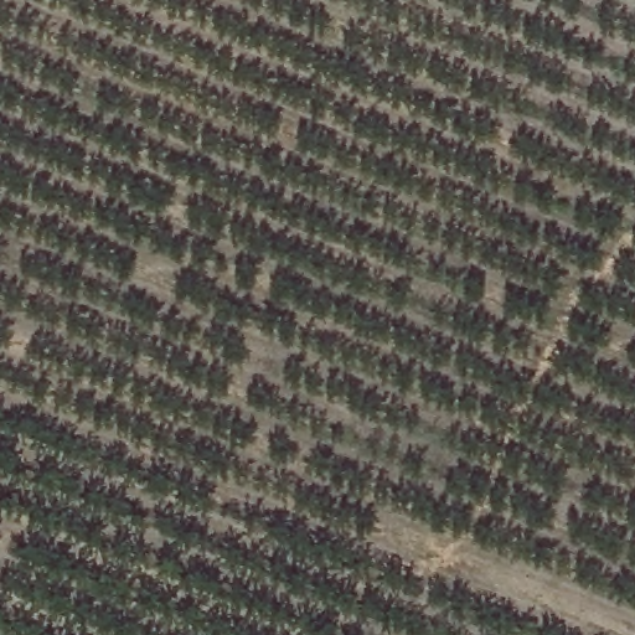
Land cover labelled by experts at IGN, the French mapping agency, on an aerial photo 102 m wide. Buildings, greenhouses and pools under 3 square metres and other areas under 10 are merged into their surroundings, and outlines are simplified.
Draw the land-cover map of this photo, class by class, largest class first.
<instances>
[{"label":"deciduous trees","instance_id":"1","mask_svg":"<svg viewBox=\"0 0 635 635\"><path fill-rule=\"evenodd\" d=\"M357 7L360 17L347 22L342 47H322L330 15L320 2L313 0H0V635H575L556 613H521L511 600L496 593L469 590L464 580L446 583L437 573L414 575V568L402 566L399 556L370 548V533L377 521L375 511L382 506H394V511L404 516L429 523L434 533H471L481 548H494L504 558L533 563L536 568H543L556 575H573L578 585L635 608V174L608 166L603 159H593L590 151L595 146L610 149L623 159L635 161V0H337ZM553 5L563 7L568 15L598 22L600 37L585 40L578 37V30H566L563 22L553 15ZM571 60L610 67L613 72H623L625 77L620 84H610L605 77H593V82L588 84L571 77V72L566 69ZM417 72H427L432 79L446 84V94L437 97L429 89H417ZM538 84H546L551 92H571L585 97L593 107L610 109L615 117H625L628 124L623 131H613L610 124L600 119L595 124H588L580 114H573L571 107H566L563 102L536 104L528 99V94ZM290 104L310 109L313 114L310 119L298 122V146L290 151L288 159H280V109ZM496 109L516 114L518 129L511 136V151L521 156V166L496 159V154L484 146V139H496L499 134L501 124L499 119H491V112ZM179 176L189 179V223L181 233H174L166 206H171L176 191L174 184ZM149 248L174 260L176 295L171 300H159L134 285L131 270L136 255ZM263 258H275L278 265L270 278V290L255 283L258 265L263 263ZM489 268L504 273L506 290L501 318L491 315L484 308V273ZM246 325H258L265 335L280 337L283 345H290L293 335H300V352L285 357V380L290 382L295 397H280L275 384H270L260 375H253L248 384V402L253 407L268 409L278 424L268 437V464H260L255 459H241L236 454L241 446H248L253 442L255 419H241L238 407L218 404L231 384V365L243 362L248 355L243 342ZM216 476L236 479L238 486L265 489L275 496H293L295 506L293 511H283L263 508L260 499L255 504L213 501ZM211 511L243 521L246 528L241 533H208Z\"/></svg>","mask_w":635,"mask_h":635},{"label":"plowed land","instance_id":"2","mask_svg":"<svg viewBox=\"0 0 635 635\"><path fill-rule=\"evenodd\" d=\"M320 2L330 15L322 47H342L347 22L360 17L357 7L337 0H313ZM553 15L563 22L566 30H578V37L585 40L600 37L598 22L568 15L563 7L553 5ZM566 69L571 72V77L588 84L593 82V77H605L610 84H620L625 77L623 72H613L610 67L571 60ZM417 89H429L437 97L446 94V84L432 79L427 72H417ZM528 99L536 104L563 102L566 107H571L573 114H580L588 124H595L600 119L610 124L613 131H623L628 124L625 117H615L610 109L593 107L585 97L571 92H551L546 84H538L528 94ZM313 114L310 109L290 104L280 109V159H288L290 151L298 146V122L310 119ZM491 119H499L501 124L499 134L496 139H484V146L496 154V159L521 166V156L511 151V136L518 129L516 114L496 109L491 112ZM593 159H603L608 166L635 174V161L623 159L610 149L595 146L590 151ZM176 191L171 206H166L174 233H181L189 223V179L179 176L174 184ZM134 285L159 300H171L176 295L174 260L149 248L136 255L131 270ZM278 265L275 258H263V263L258 265L255 283L270 290V278ZM506 290L504 273L489 268L484 273V308L491 315L501 318ZM243 342L248 355L243 362L231 365V384L218 404L238 407L241 419H255L253 442L248 446H241L236 454L241 459H255L260 464H268V437L278 424L268 409L253 407L248 402V384L253 375H260L270 384H275L280 397H295L290 382L285 380V357L300 352V335H293L290 345H283L280 337L265 335L258 325H246ZM213 501L255 504L260 499L263 508L283 511H293L295 506L293 496H275L265 489L238 486L236 479L216 476ZM377 521L370 533V548L399 556L402 566L414 568V575L437 573L446 583L464 580L469 590L496 593L511 600L521 613H556L575 635H635V608L578 585L573 575H556L543 568H536L533 563L504 558L494 548H481L471 533H434L429 523L404 516L394 511V506H382L375 511ZM246 528L243 521L211 511L208 533H241Z\"/></svg>","mask_w":635,"mask_h":635}]
</instances>
